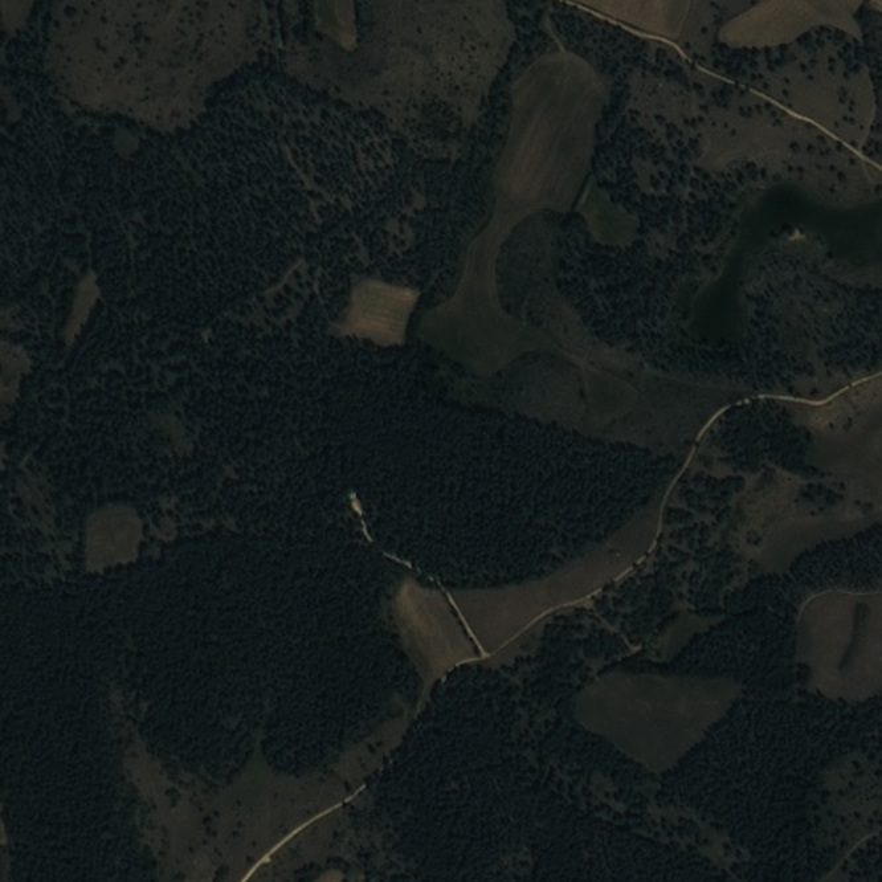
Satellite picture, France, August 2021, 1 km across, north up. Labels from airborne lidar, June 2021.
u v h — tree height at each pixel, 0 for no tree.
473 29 0
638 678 0
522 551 13
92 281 0
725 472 0
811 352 0
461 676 12
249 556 15
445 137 7
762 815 8
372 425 12
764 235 0
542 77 0
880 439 0
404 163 12
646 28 0
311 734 14
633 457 14
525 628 0
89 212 15
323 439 11
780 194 0
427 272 12
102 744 11
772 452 14
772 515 0
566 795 6
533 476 12
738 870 12
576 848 14
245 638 12
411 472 15
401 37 0
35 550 11
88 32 0
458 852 10
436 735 15
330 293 9
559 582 0
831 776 0
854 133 0
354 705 14
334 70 0
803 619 0
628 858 15
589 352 0
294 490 14
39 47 16
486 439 15
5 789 15
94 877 10
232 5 6
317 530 12
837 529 0
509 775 15
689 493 9
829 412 0
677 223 10
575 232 13
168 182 14
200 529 13
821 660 0
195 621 13
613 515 10
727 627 12
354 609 13
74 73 0
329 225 11
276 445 10
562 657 11
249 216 14
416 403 16
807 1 0
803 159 0
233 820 0
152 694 13
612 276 18
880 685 0
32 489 13
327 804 0
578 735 14
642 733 0
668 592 12
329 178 15
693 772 13
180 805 0
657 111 0
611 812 12
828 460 0
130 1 0
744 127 0
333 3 0
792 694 10
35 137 19
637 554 0
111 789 11
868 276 0
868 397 0
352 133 14
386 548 13
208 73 0
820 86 0
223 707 14
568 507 10
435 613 0
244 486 11
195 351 16
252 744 11
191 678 15
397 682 15
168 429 0
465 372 13
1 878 0
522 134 0
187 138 17
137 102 0
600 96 0
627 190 10
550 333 0
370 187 13
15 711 8
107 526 0
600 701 0
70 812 11
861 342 13
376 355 16
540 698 12
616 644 9
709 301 0
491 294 0
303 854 0
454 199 16
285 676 12
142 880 8
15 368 0
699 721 0
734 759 9
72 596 13
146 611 15
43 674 14
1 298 18
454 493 14
